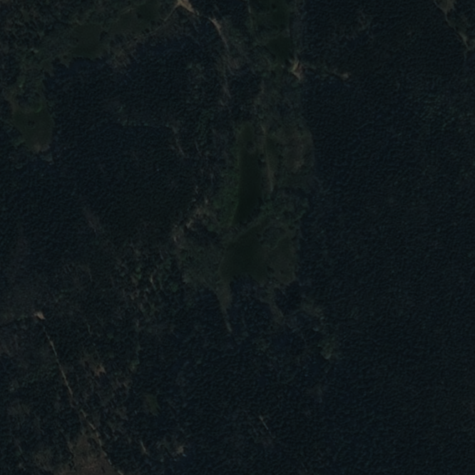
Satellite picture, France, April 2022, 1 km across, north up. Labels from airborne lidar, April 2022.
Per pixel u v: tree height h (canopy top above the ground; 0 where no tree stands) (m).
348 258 18
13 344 17
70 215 28
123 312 27
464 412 17
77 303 32
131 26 0
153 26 13
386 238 21
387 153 31
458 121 25
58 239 26
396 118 23
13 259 26
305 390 30
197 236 25
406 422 24
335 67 25
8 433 23
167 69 22
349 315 22
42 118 0
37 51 17
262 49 17
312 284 18
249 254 0
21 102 21
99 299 29
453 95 23
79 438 33
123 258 33
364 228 22
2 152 32
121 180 17
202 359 30
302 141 0
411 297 21
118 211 27
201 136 35
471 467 25
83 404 35
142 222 28
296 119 26
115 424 14
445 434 25
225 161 39
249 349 27
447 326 23
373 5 25
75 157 28
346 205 21
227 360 31
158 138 28
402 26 19
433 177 22
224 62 12
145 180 28
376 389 25
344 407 31
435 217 23
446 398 18
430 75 17
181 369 30
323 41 24
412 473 24
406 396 23
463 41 14
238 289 11
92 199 25
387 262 24
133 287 8
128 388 32
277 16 0
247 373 29
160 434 24
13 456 27
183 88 24
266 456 28
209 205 21
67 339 29
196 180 21
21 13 27
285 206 21
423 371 24
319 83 26
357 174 25
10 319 21
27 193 31
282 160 11
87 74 26
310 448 31
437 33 21
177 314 22
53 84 32
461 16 11
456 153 20
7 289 25
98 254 33
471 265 23
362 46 25
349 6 25
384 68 24
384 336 27
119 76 23
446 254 21
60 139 22
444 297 22
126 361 33
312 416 32
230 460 27
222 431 27
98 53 0
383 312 23
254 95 30
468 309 23
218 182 24
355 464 23
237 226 0
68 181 28
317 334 14
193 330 32
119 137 27
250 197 0
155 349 29
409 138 25
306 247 24
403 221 24
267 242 17
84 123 26
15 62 38
